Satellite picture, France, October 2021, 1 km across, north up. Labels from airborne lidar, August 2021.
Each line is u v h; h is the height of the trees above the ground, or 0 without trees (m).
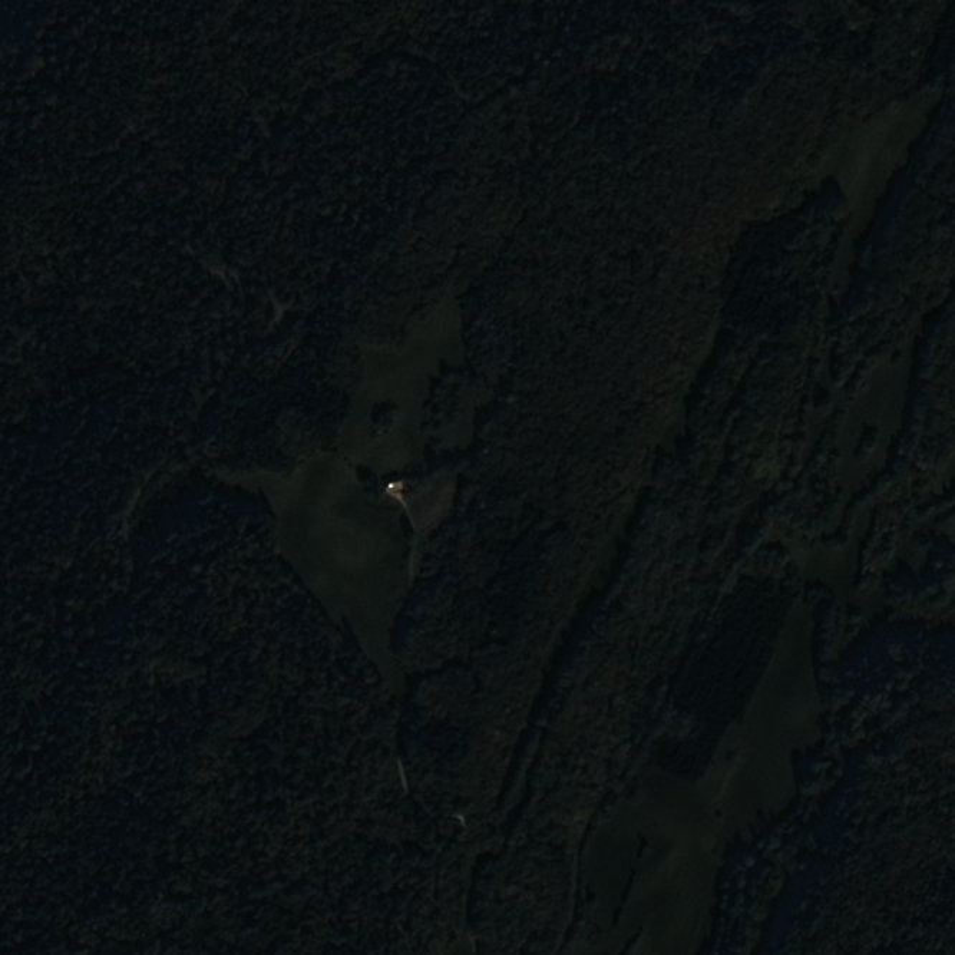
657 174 18
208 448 18
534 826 18
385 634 0
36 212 17
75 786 19
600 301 22
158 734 7
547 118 24
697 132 21
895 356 10
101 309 21
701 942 0
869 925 19
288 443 7
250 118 22
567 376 20
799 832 15
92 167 27
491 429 15
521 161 19
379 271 19
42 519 32
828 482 7
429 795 7
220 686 19
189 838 11
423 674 11
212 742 16
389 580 0
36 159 18
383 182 17
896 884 18
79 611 7
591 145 17
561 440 22
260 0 18
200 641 19
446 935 12
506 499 17
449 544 6
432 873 14
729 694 8
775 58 26
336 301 22
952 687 23
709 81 9
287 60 20
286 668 15
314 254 21
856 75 29
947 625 0
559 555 19
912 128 0
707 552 13
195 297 19
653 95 18
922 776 23
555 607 20
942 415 21
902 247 9
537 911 12
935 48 16
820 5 20
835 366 11
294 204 22
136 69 24
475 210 18
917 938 19
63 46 12
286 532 0
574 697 11
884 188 0
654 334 19
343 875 17
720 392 18
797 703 0
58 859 21
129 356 17
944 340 13
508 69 14
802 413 17
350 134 22
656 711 18
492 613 20
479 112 15
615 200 21
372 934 7
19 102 23
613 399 22
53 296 23
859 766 32
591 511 14
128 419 21
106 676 21
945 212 18
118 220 24
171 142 20
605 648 13
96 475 17
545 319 17
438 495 0
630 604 20
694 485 8
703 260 23
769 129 24
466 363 0
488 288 18
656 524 17
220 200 11
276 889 19
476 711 22
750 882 22
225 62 20
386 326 16
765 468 15
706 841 0
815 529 12
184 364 25
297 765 14
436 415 11
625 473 28
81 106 21
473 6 13
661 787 0
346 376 15
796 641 0
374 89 24
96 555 11
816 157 24
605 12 19
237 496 0
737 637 11
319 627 18
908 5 13
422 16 16
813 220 17
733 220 19
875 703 26
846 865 25
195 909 20
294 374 22
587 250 18
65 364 7
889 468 15
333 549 0
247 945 17
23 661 23
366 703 15
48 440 11
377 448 0
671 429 0
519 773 14
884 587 9
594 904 10
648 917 0
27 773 24
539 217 19
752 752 0
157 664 15
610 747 12
